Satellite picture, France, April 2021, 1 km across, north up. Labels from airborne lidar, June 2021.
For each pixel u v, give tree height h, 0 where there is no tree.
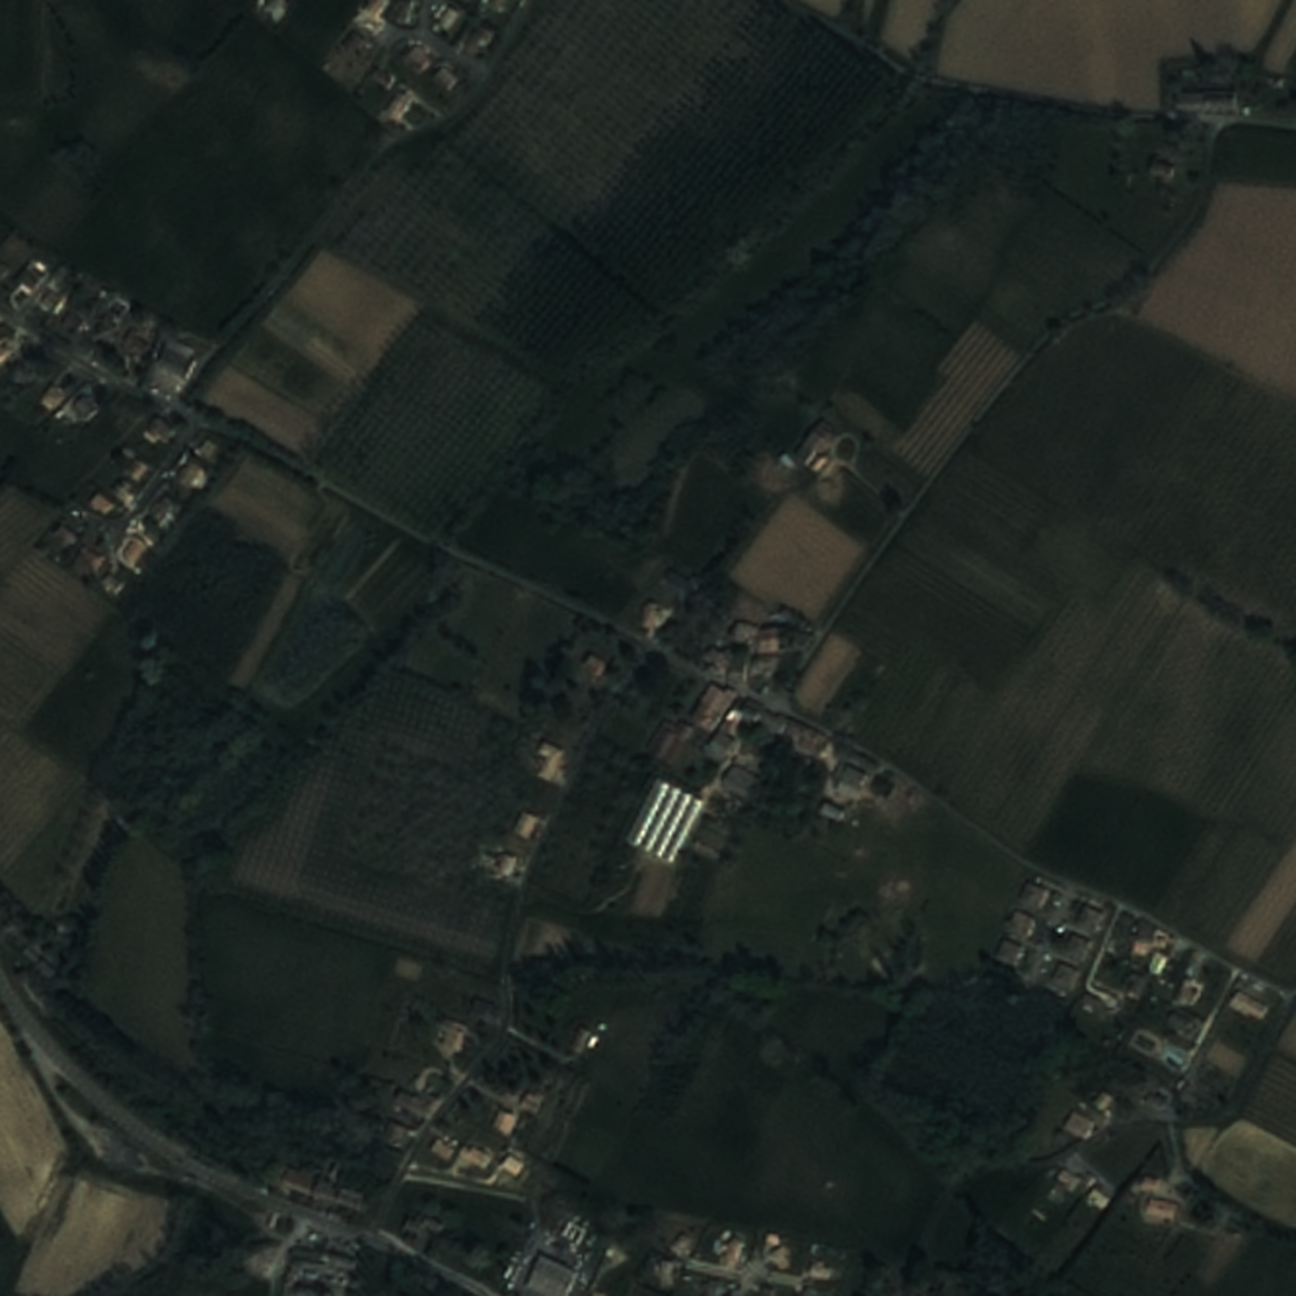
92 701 0
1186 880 0
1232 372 0
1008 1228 0
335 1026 0
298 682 19
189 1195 17
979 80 0
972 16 0
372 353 0
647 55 8
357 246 13
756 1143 0
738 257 21
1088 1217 0
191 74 14
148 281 0
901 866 0
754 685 0
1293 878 0
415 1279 18
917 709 0
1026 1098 19
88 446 0
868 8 0
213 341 0
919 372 0
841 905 0
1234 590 0
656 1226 18
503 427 25
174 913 0
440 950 17
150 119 0
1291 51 0
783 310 14
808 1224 0
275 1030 0
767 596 0
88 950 11
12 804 0
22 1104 0
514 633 0
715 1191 0
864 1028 0
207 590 15
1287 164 0
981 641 0
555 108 9
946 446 0
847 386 0
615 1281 0
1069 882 0
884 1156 0
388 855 9
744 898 0
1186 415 0
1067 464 0
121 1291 16
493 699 0
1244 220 0
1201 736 0
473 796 10
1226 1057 0
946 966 0
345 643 21
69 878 15
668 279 23
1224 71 10
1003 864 0
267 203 0
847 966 0
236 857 12
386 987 0
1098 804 0
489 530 0
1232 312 0
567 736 0
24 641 0
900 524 0
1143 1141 0
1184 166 0
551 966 10
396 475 24
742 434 15
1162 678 0
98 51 0
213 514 14
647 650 0
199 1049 10
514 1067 10
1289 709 0
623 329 24
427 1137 0
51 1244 0
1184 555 0
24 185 0
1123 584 0
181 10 0
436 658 0
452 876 10
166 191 0
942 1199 0
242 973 0
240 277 0
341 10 0
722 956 0
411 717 21
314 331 0
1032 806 0
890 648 0
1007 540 0
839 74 22
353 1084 10
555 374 22
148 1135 0
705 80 13
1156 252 0
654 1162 0
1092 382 0
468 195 10
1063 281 0
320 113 0
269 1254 0
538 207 8
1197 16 0
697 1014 7
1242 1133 0
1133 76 0
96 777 11
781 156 24
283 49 0
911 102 14
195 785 21
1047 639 0
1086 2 0
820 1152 0
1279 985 0
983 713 0
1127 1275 0
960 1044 22
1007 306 0
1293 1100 0
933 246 0
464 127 11
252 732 16
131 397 0
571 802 8
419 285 7
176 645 16
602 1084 0
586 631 11
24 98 0
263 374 0
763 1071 0
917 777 0
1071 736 0
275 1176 12
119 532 0
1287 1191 0
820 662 0
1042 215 0
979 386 0
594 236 20
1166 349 0
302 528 0
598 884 9
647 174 16
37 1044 0
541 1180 0
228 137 0
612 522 15
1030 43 0
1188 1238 0
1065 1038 23
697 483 0
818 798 10
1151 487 0
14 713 0
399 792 11
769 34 16
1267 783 0
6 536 0
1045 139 16
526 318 18
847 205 0
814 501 0
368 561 0
